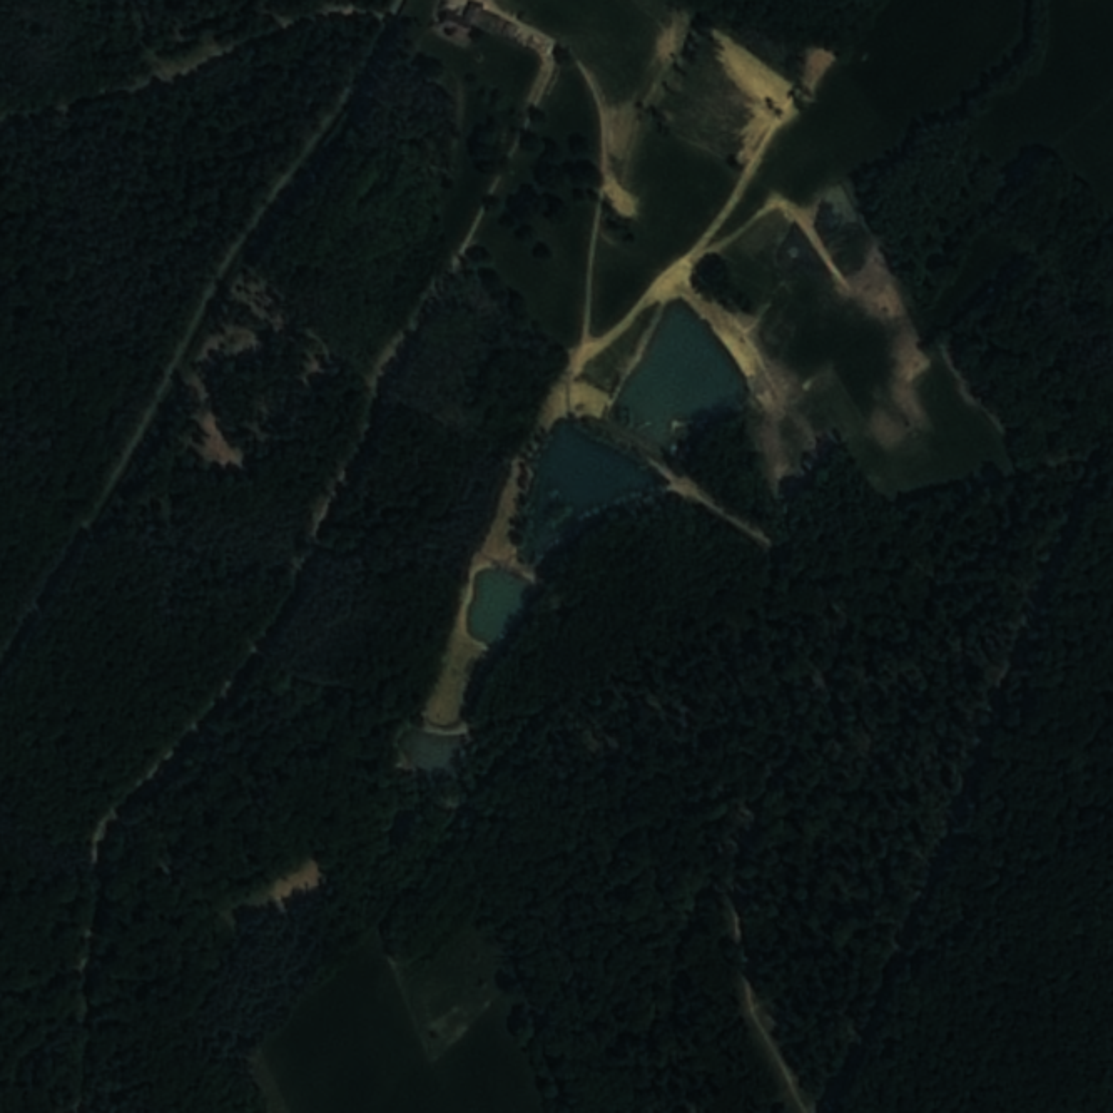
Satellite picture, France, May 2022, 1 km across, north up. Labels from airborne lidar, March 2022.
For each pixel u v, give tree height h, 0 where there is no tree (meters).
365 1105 0
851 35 26
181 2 25
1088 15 0
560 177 23
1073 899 31
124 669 25
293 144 21
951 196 19
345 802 32
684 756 33
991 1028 30
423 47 0
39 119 26
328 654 20
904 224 26
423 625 26
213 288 0
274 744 34
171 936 29
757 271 0
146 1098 22
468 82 8
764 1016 0
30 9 21
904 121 0
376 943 0
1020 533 31
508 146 0
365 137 30
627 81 0
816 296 0
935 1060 30
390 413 25
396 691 32
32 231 22
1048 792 29
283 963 27
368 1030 0
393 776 24
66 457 28
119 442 17
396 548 20
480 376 26
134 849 29
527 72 0
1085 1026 28
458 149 0
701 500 0
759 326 0
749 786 27
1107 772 28
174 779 27
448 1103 0
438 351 22
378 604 17
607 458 0
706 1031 26
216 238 28
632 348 0
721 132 0
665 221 0
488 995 0
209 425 0
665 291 0
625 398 0
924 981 29
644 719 9
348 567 23
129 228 29
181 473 25
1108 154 0
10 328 31
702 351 0
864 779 35
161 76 0
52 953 30
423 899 33
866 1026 0
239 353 0
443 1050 0
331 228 22
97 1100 26
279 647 27
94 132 29
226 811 28
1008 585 29
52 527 26
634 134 0
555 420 0
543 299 0
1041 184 27
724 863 28
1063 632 27
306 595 22
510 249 0
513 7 0
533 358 28
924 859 0
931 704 32
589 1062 31
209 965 25
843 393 0
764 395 0
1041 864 29
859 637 14
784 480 0
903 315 0
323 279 21
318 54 24
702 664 35
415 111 25
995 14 0
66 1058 20
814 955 30
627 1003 32
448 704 0
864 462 0
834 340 0
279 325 0
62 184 32
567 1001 33
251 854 29
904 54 0
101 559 24
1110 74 0
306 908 25
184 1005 31
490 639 0
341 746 31
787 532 24
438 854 33
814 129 0
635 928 33
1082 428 20
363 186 15
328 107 24
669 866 34
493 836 33
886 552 30
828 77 0
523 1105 0
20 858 14
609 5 0
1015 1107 28
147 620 24
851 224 0
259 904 0
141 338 28
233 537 9
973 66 0
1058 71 0
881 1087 32
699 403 0
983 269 0
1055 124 0
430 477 25
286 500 11
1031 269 22
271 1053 0
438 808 19
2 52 20
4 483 27
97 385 31
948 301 0
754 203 0
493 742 0
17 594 17
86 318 29
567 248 0
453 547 25
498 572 9
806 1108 0
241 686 22
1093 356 31
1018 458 20
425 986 0
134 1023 28
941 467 0
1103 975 30
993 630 31
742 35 19
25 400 31
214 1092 27
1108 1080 28
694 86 0
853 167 0
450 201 0
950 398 0
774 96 0
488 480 25
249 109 23
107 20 24
